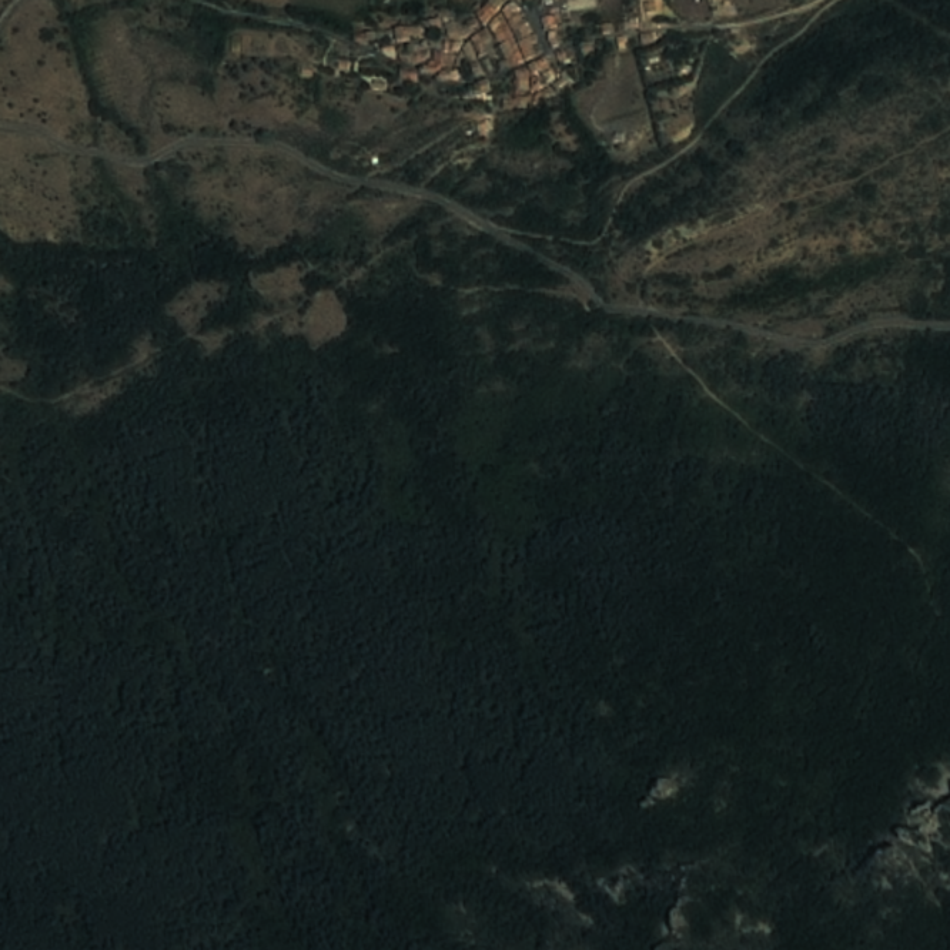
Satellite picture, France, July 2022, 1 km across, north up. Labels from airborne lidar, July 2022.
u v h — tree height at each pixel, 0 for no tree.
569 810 17
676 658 10
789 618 9
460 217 0
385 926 12
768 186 0
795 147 0
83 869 21
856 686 10
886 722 11
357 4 0
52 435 10
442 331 7
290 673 14
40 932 20
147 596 9
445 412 9
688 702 7
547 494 7
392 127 0
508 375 7
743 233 0
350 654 9
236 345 7
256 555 13
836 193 0
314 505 18
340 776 8
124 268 12
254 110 0
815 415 11
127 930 18
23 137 0
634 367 6
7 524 11
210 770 8
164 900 19
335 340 6
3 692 22
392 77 13
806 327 0
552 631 14
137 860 18
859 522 8
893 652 11
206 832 17
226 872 17
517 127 8
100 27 0
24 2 0
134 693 17
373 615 11
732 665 13
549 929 8
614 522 12
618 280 0
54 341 8
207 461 18
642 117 0
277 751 14
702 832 6
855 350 8
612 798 12
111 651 12
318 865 10
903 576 10
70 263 6
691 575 9
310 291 6
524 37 0
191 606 12
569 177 10
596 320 7
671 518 8
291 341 8
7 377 0
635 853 10
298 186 0
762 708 8
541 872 7
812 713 8
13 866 21
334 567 19
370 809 8
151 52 0
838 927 9
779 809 9
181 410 6
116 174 0
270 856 6
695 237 0
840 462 8
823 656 15
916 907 9
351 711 11
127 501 15
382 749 18
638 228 8
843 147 0
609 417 7
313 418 8
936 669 11
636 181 0
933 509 6
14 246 7
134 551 8
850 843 9
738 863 10
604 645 11
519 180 6
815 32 7
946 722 12
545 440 6
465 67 9
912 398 12
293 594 18
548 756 18
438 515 8
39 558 18
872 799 10
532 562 10
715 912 11
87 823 18
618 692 6
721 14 0
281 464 19
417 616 13
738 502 7
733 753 7
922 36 6
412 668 13
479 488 16
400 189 0
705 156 7
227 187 0
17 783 19
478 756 20
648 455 11
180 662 15
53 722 17
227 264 12
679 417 6
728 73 7
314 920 12
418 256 6
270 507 21
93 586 10
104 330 9
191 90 0
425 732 22
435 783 17
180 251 6
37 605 17
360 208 0
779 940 11
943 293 7
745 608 12
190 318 0
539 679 9
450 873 7
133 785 16
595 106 0
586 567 16
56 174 0
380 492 8
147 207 0
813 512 10
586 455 12
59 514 11
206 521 16
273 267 6
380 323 6
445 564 15
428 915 11
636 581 14
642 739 14
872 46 7
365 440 6
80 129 0
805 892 10
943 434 12
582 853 11
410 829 13
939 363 9
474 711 16
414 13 10
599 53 10
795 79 7
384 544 16
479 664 12
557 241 10
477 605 8
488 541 13
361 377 5
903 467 9
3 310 7
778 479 7
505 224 6
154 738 22
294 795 9
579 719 14
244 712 11
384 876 14
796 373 10
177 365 8
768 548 6
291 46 0
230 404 10
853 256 0
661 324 8
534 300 7
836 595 10
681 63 9
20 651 17
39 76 0
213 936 14
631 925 11
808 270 0
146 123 0
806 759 8
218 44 7
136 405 9
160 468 17
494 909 8
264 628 16
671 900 9
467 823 13
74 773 16
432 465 11
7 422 9
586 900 7
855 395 16
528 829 15
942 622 13
